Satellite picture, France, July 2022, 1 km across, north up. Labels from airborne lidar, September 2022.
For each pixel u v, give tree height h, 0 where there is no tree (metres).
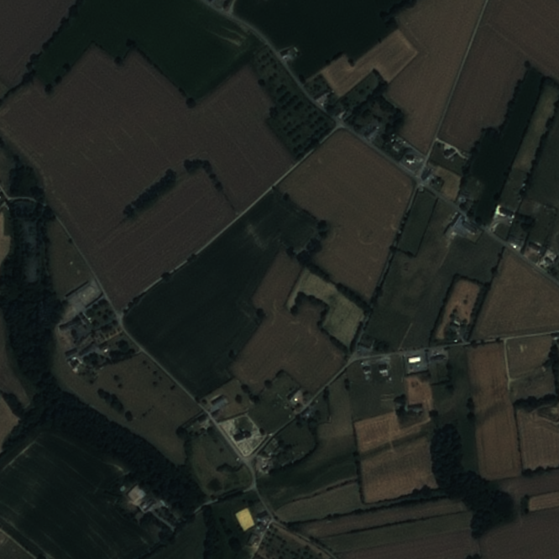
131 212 22
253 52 0
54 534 0
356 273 0
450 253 0
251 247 0
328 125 7
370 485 0
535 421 0
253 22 0
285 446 8
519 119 0
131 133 0
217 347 0
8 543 0
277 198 0
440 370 0
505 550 0
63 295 0
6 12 0
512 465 0
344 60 0
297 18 0
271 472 9
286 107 10
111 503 0
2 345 0
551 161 0
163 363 0
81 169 0
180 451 0
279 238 0
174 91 0
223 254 0
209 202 0
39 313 23
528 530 0
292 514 0
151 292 0
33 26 0
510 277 0
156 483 18
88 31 0
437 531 0
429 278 0
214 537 11
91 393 0
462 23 0
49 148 0
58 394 19
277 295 0
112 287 0
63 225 0
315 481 0
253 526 0
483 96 0
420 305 0
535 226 11
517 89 10
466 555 0
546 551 0
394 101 0
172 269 0
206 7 0
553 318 0
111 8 0
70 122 0
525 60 0
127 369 0
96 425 30
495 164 0
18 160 20
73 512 0
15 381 0
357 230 0
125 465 24
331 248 0
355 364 0
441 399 0
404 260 0
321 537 0
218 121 0
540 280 0
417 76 0
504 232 0
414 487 0
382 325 0
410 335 0
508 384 0
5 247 0
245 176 0
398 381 0
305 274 0
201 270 0
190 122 0
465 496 15
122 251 0
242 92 0
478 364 0
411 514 0
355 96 0
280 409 0
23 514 0
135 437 20
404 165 0
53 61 0
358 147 0
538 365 0
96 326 10
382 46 0
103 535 0
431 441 0
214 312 0
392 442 0
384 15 16
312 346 0
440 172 0
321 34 0
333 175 0
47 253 8
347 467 0
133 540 0
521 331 0
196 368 0
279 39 0
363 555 0
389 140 11
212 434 11
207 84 0
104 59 0
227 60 0
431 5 0
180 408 0
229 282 0
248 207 0
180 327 0
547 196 0
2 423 0
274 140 0
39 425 8
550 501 0
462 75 0
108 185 0
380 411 0
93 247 0
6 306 17
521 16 0
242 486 0
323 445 0
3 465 0
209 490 0
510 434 0
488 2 0
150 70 0
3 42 0
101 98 0
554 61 0
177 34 0
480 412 0
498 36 0
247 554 0
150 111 0
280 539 7
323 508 0
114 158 0
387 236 0
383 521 0
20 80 0
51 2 0
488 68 0
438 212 0
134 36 0
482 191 0
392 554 0
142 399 0
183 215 0
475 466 0
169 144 0
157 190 17
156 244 0
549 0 0
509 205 0
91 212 0
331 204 0
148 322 0
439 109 0
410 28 0
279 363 0
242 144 0
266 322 0
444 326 0
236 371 0
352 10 0
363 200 0
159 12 0
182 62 0
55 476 0
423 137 0
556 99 0
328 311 8
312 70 0
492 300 0
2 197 12
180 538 0
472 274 0
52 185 0
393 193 0
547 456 0
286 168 0
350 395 0
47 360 31
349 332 0
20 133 0
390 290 0
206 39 0
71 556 0
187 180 0
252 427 0
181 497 33
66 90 0
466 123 0
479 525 17
